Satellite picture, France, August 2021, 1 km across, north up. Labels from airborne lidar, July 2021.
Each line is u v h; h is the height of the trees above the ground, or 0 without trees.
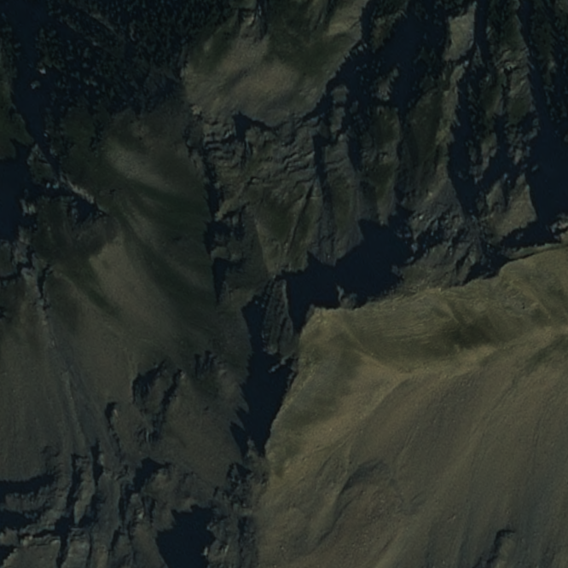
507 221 0
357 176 0
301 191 0
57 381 0
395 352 0
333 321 0
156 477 0
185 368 0
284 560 0
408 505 0
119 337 0
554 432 0
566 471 0
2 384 0
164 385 0
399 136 0
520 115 0
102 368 0
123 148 0
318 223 0
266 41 0
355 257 0
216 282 0
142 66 0
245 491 0
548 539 0
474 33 0
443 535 0
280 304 0
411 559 0
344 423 0
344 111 0
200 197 0
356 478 0
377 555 0
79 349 0
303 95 0
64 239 0
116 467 0
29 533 0
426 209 0
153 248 0
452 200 0
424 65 0
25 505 0
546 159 0
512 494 0
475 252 0
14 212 0
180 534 0
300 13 0
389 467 0
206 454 0
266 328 0
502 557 0
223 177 0
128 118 0
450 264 0
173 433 0
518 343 0
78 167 0
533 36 8
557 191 0
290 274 0
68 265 0
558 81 0
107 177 0
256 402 0
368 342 0
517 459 0
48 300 0
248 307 0
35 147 0
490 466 0
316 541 0
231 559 0
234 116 0
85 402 0
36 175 0
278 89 0
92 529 0
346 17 0
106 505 0
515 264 0
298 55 0
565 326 0
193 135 0
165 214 0
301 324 0
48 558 0
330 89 0
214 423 0
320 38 0
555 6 8
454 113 0
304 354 0
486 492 0
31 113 0
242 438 0
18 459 0
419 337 0
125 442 0
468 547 0
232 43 0
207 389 0
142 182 0
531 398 0
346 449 0
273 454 0
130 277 0
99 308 0
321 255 0
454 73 0
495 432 0
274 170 0
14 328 0
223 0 6
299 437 0
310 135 0
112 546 0
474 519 0
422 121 0
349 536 0
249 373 0
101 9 14
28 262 0
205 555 0
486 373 0
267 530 0
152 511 0
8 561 0
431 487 0
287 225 0
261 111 0
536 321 0
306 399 0
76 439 0
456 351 0
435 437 0
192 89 0
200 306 0
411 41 0
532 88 0
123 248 0
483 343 0
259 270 0
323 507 0
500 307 0
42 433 0
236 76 0
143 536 0
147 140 0
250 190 0
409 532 0
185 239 0
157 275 0
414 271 0
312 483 0
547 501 0
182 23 7
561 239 0
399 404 0
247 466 0
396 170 0
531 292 0
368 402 0
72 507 0
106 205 0
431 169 0
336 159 0
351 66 0
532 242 0
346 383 0
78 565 0
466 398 0
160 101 0
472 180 0
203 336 0
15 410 0
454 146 0
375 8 11
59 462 0
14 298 0
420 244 0
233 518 0
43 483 0
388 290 0
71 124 0
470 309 0
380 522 0
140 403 0
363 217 0
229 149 0
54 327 0
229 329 0
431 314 0
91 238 0
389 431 0
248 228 0
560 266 0
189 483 0
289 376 0
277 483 0
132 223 0
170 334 0
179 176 0
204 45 0
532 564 0
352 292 0
